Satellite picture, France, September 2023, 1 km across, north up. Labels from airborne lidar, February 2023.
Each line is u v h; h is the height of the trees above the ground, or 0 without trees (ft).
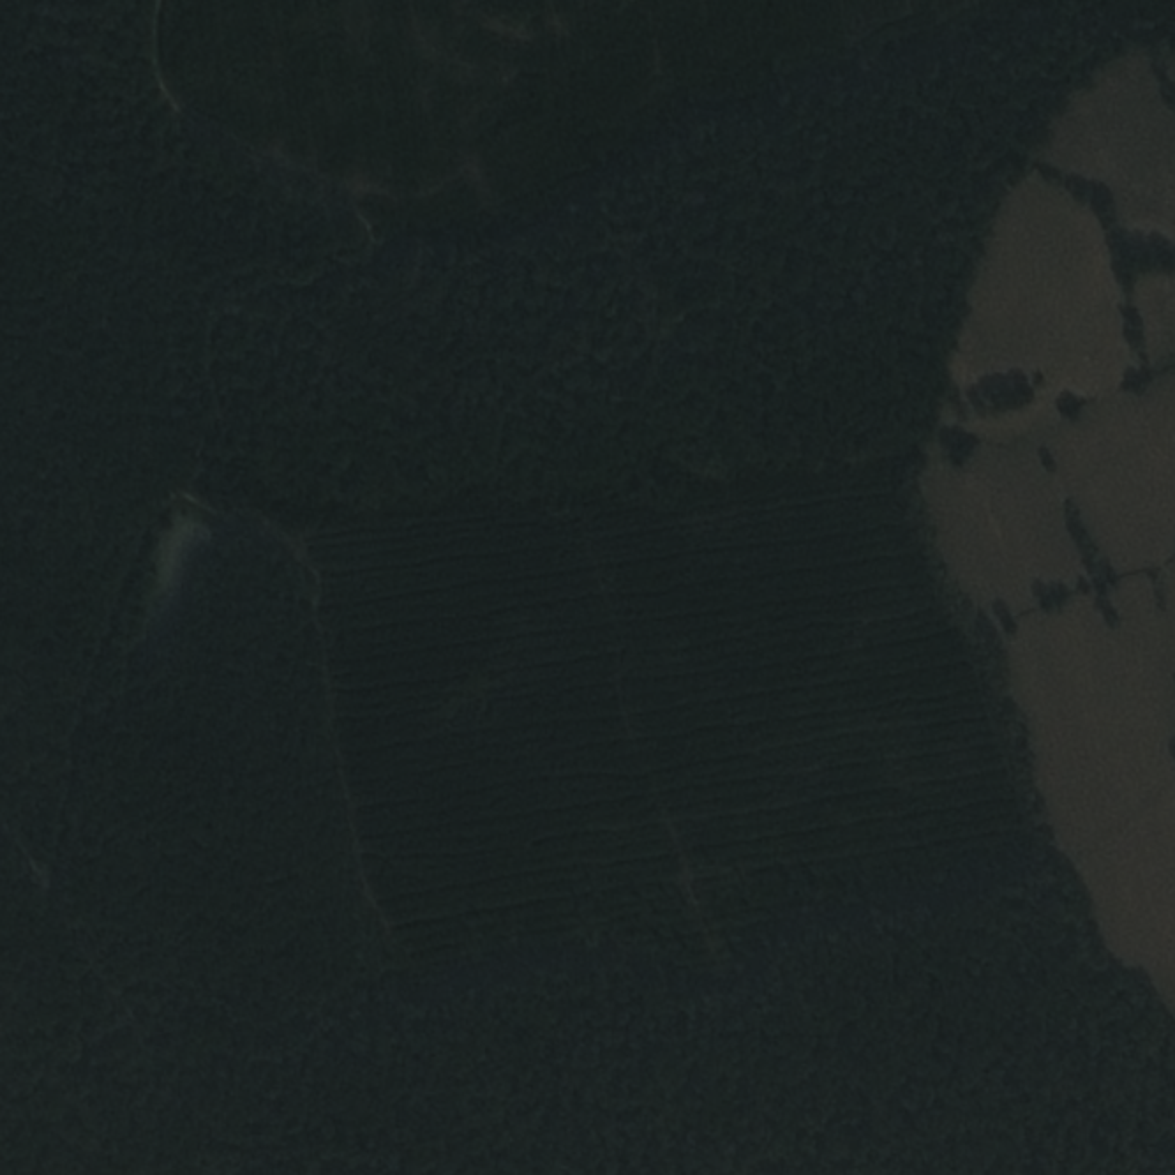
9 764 91
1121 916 0
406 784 18
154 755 95
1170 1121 85
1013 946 109
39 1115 91
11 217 76
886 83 114
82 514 81
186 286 77
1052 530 0
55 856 89
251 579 80
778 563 19
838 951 106
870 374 102
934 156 114
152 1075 79
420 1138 112
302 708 96
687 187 89
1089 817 0
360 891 89
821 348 103
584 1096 59
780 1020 117
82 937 88
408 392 67
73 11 99
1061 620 0
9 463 83
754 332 91
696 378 83
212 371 64
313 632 82
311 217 106
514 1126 108
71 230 85
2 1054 85
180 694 108
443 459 99
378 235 29
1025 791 32
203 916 99
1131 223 0
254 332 88
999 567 0
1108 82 0
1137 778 0
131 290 95
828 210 101
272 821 110
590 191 52
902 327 97
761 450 47
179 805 99
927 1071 113
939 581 39
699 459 82
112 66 83
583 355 83
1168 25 25
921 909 104
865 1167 94
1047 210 0
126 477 76
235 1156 66
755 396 94
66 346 98
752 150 104
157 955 93
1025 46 107
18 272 79
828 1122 113
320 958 98
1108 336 0
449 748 19
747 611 20
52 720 85
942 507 0
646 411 104
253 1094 107
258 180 89
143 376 98
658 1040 109
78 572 90
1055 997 106
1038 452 0
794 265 108
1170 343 0
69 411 88
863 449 47
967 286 45
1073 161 0
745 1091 116
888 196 107
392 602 20
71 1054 41
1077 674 0
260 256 73
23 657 96
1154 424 0
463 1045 105
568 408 93
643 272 94
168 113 101
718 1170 96
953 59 114
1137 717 0
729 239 87
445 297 94
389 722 19
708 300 73
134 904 98
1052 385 0
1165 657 0
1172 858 0
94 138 85
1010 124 97
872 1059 124
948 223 91
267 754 110
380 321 74
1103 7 21
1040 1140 33
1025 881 108
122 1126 85
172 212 100
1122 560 0
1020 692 0
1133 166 0
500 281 101
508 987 103
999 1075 121
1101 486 0
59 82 80
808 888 84
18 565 84
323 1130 111
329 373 93
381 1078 112
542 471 102
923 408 45
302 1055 97
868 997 120
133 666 101
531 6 28
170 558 0
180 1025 106
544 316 111
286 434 95
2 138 86
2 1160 80
